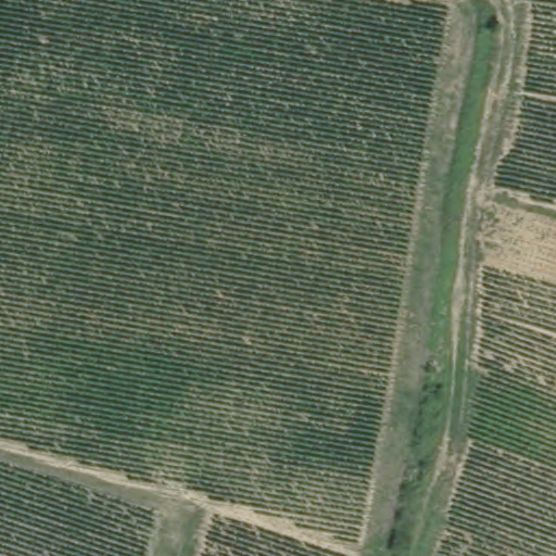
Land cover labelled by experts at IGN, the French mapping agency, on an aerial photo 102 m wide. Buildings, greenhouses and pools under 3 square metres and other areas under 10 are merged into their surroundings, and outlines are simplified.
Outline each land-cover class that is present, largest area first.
<instances>
[{"label":"vineyard","instance_id":"1","mask_svg":"<svg viewBox=\"0 0 556 556\"><path fill-rule=\"evenodd\" d=\"M463 0H0V450L24 458H33L54 469H67L80 476H91L124 489L146 491L161 497H180L198 504L204 510V517L195 530L198 545L193 556H361L369 539V521L378 491V480L369 476V469L374 460V445L380 428V410L389 380L391 339L395 334V319L402 293L400 287L404 276L400 271V265L406 261V245L415 206V187L424 154V130L428 124L430 91L437 76L434 56H439L443 43V20L450 24L460 15L458 4ZM497 20V41L493 43L495 54L491 80L484 96V109L480 117V137L476 143L473 165L465 189L458 235V263L452 289V361L458 358L460 350L467 354L465 369L482 374L478 387H469V391L478 395L473 404L476 417L469 430L471 439L473 450L467 458L465 471L458 482V493L450 510V528L437 532L430 549V556H556V0H489ZM154 523L152 510L132 506L122 497H113L100 491H85L83 484L65 482L56 476L9 467L0 460V556H146L150 528Z\"/></svg>","mask_w":556,"mask_h":556},{"label":"herbaceous vegetation","instance_id":"2","mask_svg":"<svg viewBox=\"0 0 556 556\"><path fill-rule=\"evenodd\" d=\"M478 41L476 15H460L450 24L443 20V43L439 56H434L437 76L430 91L428 124L424 130V154L415 187V206L406 245V261L400 265V271L404 276L400 287L402 293L395 319V334L391 339L389 380L380 410V428L374 445V460L369 469V476L378 480V491L369 521V539L389 534L393 526V513L397 508L404 463L408 460V454L415 450L408 445V428L391 413L395 406V393H400L402 389H417L424 378V363L430 361V313L439 258L443 252L441 202L450 198L452 189L450 165L454 163L458 150L456 124L463 106L465 80L469 78V65ZM473 450L471 439L456 441L450 434L441 437L434 467L426 478V482L430 484L419 510L415 513V528L410 532V541L417 547L430 549L437 532L450 528V510L458 493V482L465 471L467 458ZM0 460L9 467L56 476L65 482L83 484L85 491H100L113 497H122L132 506L152 510L154 523L150 528L146 556H193L198 545L195 530L204 517V510L198 504L180 497H161L146 491L124 489L91 476H80L67 469H54L33 458H24L0 450Z\"/></svg>","mask_w":556,"mask_h":556},{"label":"brushwood","instance_id":"3","mask_svg":"<svg viewBox=\"0 0 556 556\"><path fill-rule=\"evenodd\" d=\"M460 15H476L478 41L469 65V78L465 80L463 106L456 124L458 150L454 163L450 165L452 189L450 198L441 202L443 252L439 258L430 313V361L424 363V378L417 389H402L400 393H395V406L391 413L408 428V445L415 450L408 454V460L404 463L397 508L393 513V526L389 534L369 539L361 556H430V549L417 547L410 541V532L415 528V513L419 510L430 484L426 482V478L434 467L441 437L450 434L456 441L471 439L469 430L476 417L473 404L478 395L469 391V387H478L482 374L465 369L467 354L460 350L458 358L452 361V289L458 263V235L465 189L473 165L476 143L480 137V117L484 109V96L491 80L495 54L493 43L497 41V20L489 0H463L458 4Z\"/></svg>","mask_w":556,"mask_h":556}]
</instances>
